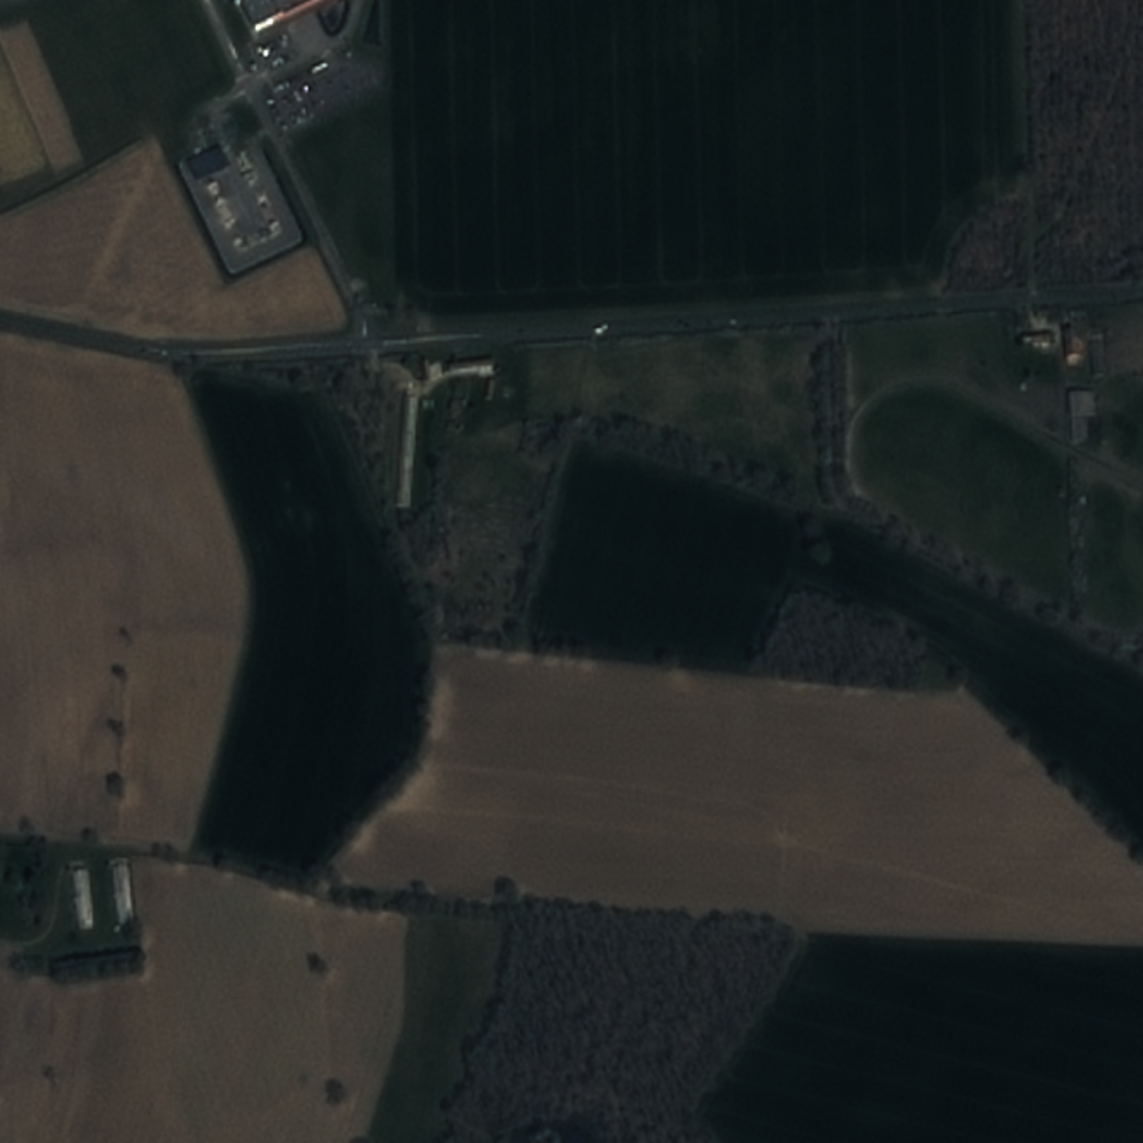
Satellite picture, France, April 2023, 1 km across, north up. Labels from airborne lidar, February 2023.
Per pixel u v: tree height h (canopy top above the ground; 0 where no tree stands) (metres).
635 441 19
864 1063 0
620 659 0
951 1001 0
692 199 0
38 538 0
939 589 0
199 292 0
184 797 0
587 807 0
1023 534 0
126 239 0
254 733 0
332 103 0
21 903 8
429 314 0
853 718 0
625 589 0
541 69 0
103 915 0
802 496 14
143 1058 0
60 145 0
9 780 0
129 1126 0
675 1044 21
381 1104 0
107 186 0
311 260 0
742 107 0
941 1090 0
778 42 0
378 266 0
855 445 0
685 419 0
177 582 0
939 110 0
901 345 0
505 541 0
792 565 0
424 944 0
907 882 0
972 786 0
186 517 0
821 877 0
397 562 18
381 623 0
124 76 0
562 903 0
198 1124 0
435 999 0
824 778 0
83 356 0
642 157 0
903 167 0
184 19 0
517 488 0
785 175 0
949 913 0
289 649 0
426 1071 0
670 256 0
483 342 0
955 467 0
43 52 0
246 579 0
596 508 0
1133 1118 0
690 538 0
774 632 14
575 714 0
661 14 0
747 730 0
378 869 0
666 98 0
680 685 0
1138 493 0
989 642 0
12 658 0
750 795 0
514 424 0
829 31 0
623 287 0
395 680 0
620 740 0
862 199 0
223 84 0
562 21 0
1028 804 0
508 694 0
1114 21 8
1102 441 0
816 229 0
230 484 0
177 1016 0
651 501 0
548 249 0
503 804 0
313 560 0
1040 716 0
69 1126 0
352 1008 0
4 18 0
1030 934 0
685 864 0
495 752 0
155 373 0
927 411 0
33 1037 0
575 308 0
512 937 21
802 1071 0
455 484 0
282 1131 0
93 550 0
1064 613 14
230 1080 0
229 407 0
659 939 16
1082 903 0
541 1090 13
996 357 0
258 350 0
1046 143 8
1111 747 0
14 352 0
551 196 0
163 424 0
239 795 0
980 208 0
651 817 0
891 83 0
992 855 0
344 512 0
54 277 0
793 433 0
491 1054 20
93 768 0
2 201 0
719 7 0
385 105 0
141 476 0
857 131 0
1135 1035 0
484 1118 16
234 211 0
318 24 0
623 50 0
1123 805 0
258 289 0
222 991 0
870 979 0
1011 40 0
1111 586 0
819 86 0
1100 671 0
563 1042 19
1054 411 0
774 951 20
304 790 0
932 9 0
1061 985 0
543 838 0
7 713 0
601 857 0
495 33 0
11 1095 0
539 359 0
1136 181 7
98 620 0
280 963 0
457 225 0
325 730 0
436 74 0
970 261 10
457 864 0
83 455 0
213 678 0
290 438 0
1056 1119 0
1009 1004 0
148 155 0
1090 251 11
